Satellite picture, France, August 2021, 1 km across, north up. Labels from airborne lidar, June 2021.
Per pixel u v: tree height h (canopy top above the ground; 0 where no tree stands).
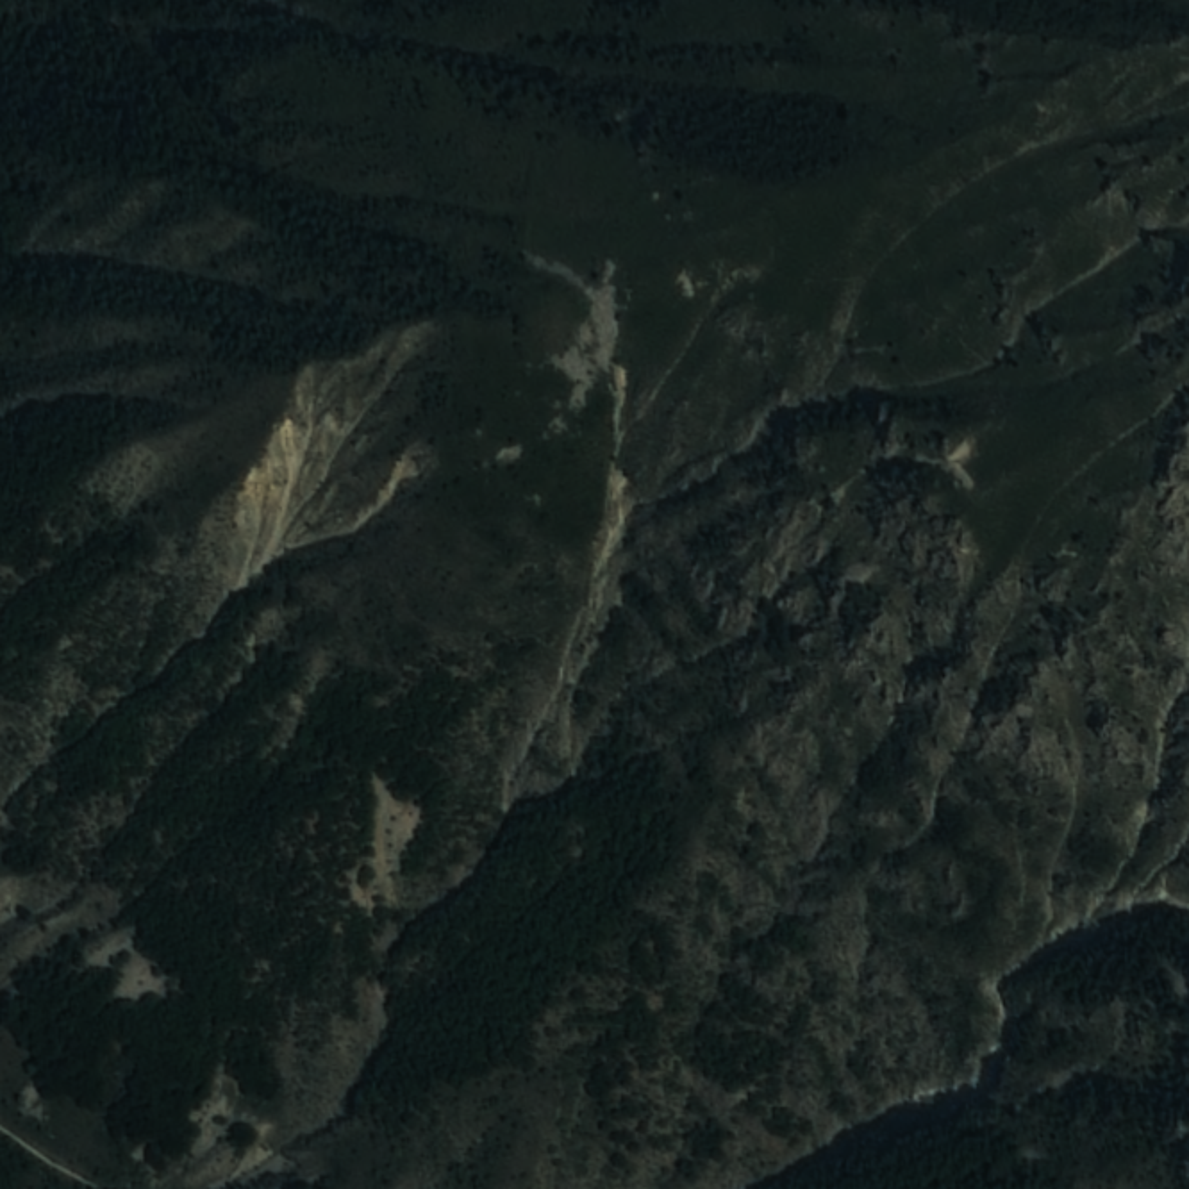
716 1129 7
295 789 10
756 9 0
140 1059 17
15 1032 15
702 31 0
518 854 8
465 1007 11
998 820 7
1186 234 0
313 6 0
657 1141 7
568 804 12
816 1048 7
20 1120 8
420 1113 10
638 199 0
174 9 11
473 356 0
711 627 9
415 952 6
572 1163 0
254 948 9
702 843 0
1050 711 0
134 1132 16
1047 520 0
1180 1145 11
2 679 10
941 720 0
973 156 0
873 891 6
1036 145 0
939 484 0
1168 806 6
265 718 6
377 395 0
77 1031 17
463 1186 8
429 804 14
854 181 0
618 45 10
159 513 7
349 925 7
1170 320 0
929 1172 10
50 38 12
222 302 7
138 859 6
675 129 7
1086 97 0
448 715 8
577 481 0
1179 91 0
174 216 7
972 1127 11
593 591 0
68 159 8
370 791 14
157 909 13
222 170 15
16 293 15
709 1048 6
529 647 6
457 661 7
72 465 14
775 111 8
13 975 8
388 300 7
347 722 12
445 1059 14
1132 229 0
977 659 0
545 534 0
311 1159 0
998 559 0
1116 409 0
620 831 10
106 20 8
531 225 0
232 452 0
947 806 9
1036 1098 11
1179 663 12
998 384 0
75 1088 18
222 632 7
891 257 0
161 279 7
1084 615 9
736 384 0
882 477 11
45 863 8
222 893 11
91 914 0
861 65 0
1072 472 0
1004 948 0
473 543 0
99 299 8
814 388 0
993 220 0
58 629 6
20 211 7
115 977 10
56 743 11
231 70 7
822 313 0
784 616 9
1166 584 0
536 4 0
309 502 0
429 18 10
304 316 7
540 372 0
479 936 10
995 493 0
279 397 0
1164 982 8
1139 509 0
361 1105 8
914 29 0
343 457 0
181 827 10
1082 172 0
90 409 15
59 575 11
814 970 6
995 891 10
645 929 6
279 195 9
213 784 8
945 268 0
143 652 9
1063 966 10
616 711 13
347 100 0
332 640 0
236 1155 6
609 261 0
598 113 10
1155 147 0
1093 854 8
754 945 7
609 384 0
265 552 0
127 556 9
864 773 12
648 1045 8
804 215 0
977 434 0
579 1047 9
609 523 0
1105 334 0
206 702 8
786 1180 7
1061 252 0
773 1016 8
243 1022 12
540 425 0
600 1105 8
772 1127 10
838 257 0
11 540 9
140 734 6
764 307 0
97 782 10
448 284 7
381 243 9
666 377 0
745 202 0
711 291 0
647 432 0
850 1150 10
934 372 0
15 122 12
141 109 14
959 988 6
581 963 7
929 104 0
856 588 13
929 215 0
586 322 0
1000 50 0
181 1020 12
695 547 8
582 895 12
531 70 8
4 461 15
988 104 0
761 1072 11
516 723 6
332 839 9
